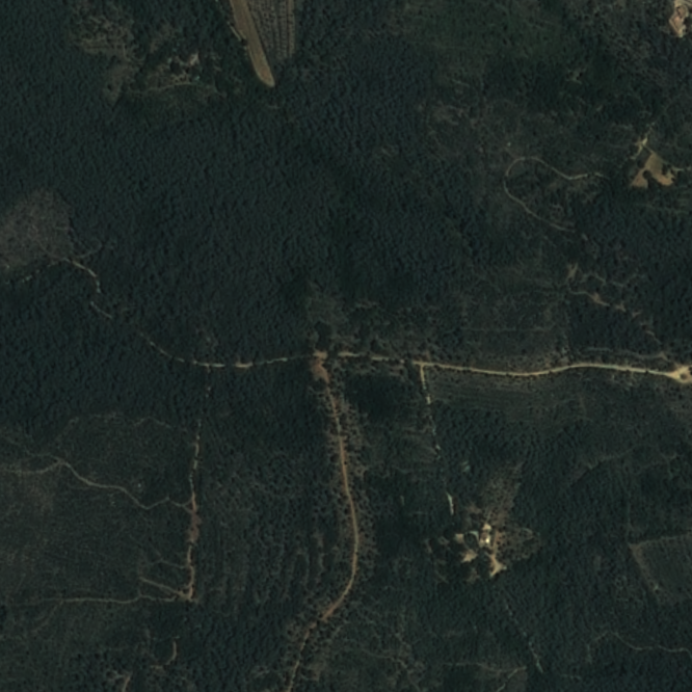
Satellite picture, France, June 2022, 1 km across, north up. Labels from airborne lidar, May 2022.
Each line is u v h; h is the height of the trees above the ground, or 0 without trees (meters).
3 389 19
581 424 13
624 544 6
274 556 12
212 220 17
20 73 19
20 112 17
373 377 13
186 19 18
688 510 7
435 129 6
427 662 12
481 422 21
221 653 14
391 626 6
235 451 13
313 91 13
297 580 9
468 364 7
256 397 19
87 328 7
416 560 9
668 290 19
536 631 10
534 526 13
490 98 6
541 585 17
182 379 18
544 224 9
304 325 17
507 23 8
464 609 18
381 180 12
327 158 15
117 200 18
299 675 9
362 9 18
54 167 17
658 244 19
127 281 7
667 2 7
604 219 21
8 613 16
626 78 15
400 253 22
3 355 22
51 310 21
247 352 16
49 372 20
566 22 10
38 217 0
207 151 17
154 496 6
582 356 8
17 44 17
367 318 13
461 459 14
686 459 9
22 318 18
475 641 10
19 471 0
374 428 8
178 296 17
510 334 7
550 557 10
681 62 18
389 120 19
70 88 16
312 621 9
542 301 11
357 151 22
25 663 9
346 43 18
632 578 6
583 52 7
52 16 14
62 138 17
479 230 18
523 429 19
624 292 7
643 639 7
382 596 15
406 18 10
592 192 12
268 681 6
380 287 20
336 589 12
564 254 6
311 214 20
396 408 12
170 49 8
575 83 10
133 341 13
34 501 0
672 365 7
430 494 7
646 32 10
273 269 20
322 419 13
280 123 17
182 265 6
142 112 16
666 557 6
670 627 9
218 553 6
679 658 12
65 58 18
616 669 15
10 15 15
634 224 20
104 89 10
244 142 23
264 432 7
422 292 19
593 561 15
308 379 13
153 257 8
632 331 14
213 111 13
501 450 12
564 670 11
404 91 18
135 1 13
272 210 24
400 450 13
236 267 15
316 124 16
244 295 14
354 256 19
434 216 19
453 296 8
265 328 20
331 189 18
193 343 6
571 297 6
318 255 19
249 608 7
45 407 16
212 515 6
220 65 7
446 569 13
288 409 7
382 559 8
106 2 18
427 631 12
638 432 8
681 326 17
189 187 20
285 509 12
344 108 19
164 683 8
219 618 15
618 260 8
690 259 7
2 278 6
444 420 13
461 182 14
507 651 11
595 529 14
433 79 17
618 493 10
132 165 20
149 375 13
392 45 15
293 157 14
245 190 19
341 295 20
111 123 19
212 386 16
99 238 17
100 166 15
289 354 10
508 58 11
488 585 13
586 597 9
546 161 6
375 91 20
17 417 7
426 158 16
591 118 10
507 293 6
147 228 16
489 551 12
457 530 12
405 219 17
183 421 18
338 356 9
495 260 14
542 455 15
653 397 6
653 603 6
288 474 17
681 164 7
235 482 9
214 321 9
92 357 21
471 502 13
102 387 18
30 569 0
